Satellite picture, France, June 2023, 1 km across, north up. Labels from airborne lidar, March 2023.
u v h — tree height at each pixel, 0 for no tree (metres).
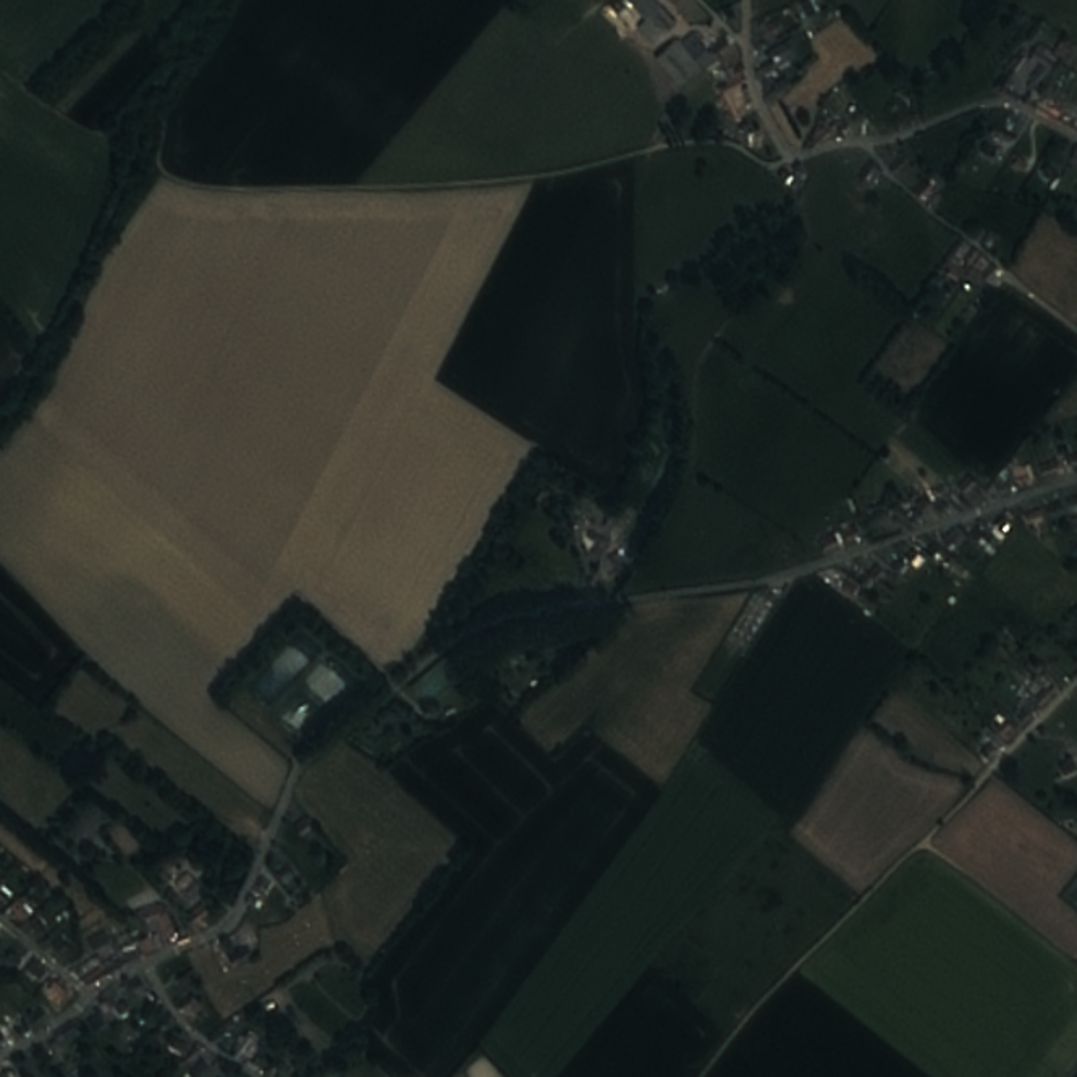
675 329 0
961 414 0
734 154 0
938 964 0
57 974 0
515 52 0
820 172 0
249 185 0
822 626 0
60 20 0
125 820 15
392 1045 0
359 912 0
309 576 0
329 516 0
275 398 0
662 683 0
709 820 0
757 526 0
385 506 0
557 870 0
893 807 0
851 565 0
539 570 0
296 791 0
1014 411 0
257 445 0
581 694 0
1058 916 0
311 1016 0
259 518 0
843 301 0
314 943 0
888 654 0
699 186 0
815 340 0
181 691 0
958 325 7
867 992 0
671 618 0
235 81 0
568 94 0
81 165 0
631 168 0
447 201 0
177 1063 8
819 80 0
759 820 0
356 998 0
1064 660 0
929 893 0
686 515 0
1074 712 0
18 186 0
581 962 0
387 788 0
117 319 0
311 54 0
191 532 0
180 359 0
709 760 0
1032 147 0
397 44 0
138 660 0
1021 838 0
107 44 7
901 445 0
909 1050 0
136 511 0
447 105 0
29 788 0
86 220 0
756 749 0
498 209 0
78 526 0
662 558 0
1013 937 0
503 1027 0
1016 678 0
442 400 0
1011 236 0
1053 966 0
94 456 0
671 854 0
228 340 0
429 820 0
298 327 0
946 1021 0
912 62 0
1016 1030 0
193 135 0
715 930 0
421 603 0
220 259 0
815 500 0
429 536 0
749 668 0
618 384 0
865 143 0
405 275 0
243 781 0
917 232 0
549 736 0
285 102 0
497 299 0
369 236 0
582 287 0
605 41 0
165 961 0
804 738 0
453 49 0
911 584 0
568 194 0
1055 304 0
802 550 0
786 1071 0
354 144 0
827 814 0
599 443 0
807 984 0
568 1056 0
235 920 0
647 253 0
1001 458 0
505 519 17
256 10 0
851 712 0
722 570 0
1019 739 0
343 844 0
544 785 0
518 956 0
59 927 0
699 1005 0
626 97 0
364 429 0
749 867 0
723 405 0
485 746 0
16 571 0
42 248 0
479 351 0
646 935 0
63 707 0
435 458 0
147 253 0
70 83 7
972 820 0
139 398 0
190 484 0
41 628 0
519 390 0
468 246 0
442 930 0
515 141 0
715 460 0
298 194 0
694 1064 0
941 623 0
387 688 19
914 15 0
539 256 0
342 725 21
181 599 0
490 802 0
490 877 0
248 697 0
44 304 0
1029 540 0
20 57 0
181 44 17
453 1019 0
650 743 0
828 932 0
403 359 0
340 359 0
